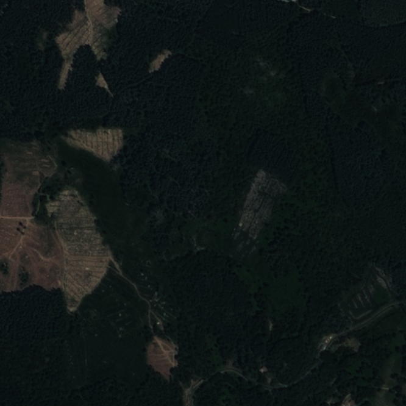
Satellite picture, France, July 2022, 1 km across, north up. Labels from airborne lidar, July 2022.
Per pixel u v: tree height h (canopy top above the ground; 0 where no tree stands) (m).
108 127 19
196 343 15
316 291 13
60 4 23
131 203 12
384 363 9
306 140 11
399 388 16
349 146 30
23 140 32
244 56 7
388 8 22
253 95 8
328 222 7
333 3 7
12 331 33
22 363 13
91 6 0
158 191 22
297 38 25
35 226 0
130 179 24
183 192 32
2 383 15
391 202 9
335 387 11
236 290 13
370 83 21
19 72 24
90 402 20
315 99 31
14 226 0
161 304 0
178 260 15
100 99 23
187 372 18
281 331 13
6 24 24
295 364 18
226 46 18
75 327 17
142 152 26
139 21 26
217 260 22
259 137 28
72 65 0
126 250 0
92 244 0
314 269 9
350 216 11
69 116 27
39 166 0
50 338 28
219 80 10
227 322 8
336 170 33
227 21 14
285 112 6
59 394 18
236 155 10
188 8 22
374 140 35
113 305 0
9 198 0
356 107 9
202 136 27
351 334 10
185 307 16
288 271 11
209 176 8
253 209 0
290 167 21
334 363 22
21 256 0
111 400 19
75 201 0
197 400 14
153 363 0
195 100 29
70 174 21
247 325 17
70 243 0
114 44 16
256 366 18
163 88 31
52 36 24
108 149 0
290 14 24
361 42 20
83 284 0
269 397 19
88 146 0
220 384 9
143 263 0
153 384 18
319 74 26
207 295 7
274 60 6
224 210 13
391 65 18
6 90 35
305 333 17
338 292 17
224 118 7
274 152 25
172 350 0
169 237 16
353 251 10
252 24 23
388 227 9
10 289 0
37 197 6
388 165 35
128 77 28
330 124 25
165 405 11
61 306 33
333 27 29
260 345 28
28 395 13
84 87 19
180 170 22
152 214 19
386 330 0
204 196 27
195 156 7
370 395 7
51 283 0
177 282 8
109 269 0
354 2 7
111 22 0
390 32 21
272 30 22
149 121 15
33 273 0
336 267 11
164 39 27
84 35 0
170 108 27
